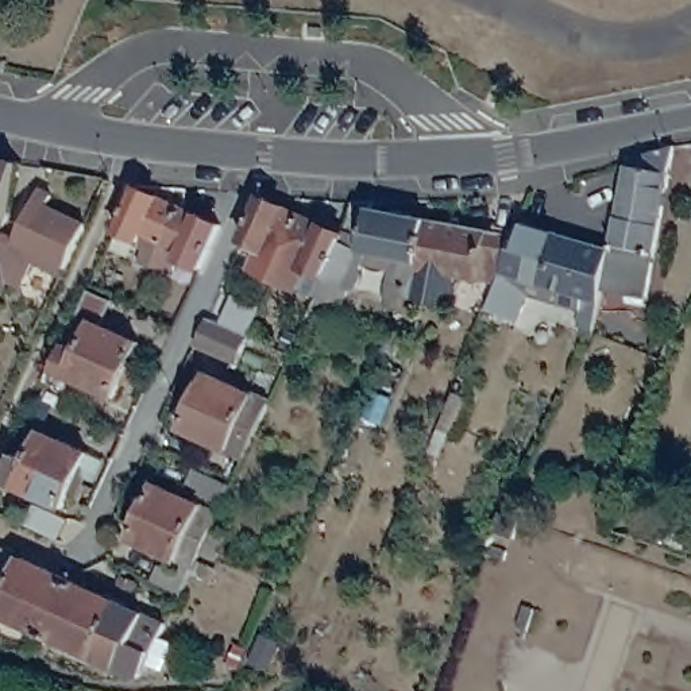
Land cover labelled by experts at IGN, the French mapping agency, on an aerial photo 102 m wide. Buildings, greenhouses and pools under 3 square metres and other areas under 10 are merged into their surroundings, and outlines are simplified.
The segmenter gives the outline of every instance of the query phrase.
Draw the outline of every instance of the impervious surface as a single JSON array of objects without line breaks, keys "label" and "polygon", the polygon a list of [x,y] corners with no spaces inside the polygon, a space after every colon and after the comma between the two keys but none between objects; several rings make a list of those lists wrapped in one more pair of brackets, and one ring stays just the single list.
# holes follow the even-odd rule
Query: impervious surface
[{"label": "impervious surface", "polygon": [[597,327],[602,335],[642,356],[653,351],[642,340],[645,302],[640,297],[605,294]]},{"label": "impervious surface", "polygon": [[561,8],[551,0],[453,0],[459,5],[507,22],[518,30],[540,32],[553,46],[570,46],[583,57],[651,59],[691,49],[691,5],[648,22],[599,22],[570,8]]},{"label": "impervious surface", "polygon": [[[340,232],[340,224],[351,227],[351,216],[356,219],[362,208],[381,208],[408,213],[416,219],[451,221],[480,229],[489,229],[491,221],[497,221],[502,224],[499,246],[507,246],[513,229],[524,224],[543,232],[561,232],[578,240],[605,246],[610,221],[626,221],[626,213],[615,213],[610,205],[613,189],[618,189],[618,175],[580,178],[578,192],[564,192],[564,184],[575,175],[575,170],[594,167],[610,159],[618,159],[621,167],[637,170],[645,154],[656,148],[669,148],[691,143],[691,84],[651,89],[637,97],[610,97],[583,108],[551,105],[537,116],[521,116],[513,121],[497,116],[497,103],[494,97],[483,97],[483,103],[478,103],[464,92],[451,92],[445,97],[426,81],[410,76],[402,67],[402,62],[383,51],[362,46],[327,49],[324,30],[302,27],[302,40],[275,40],[159,32],[127,40],[113,51],[103,54],[97,62],[92,62],[73,78],[65,76],[62,81],[49,81],[19,76],[16,81],[0,76],[0,159],[19,165],[19,178],[11,178],[11,216],[5,224],[0,224],[0,238],[13,232],[22,208],[35,192],[49,189],[46,178],[51,170],[92,175],[105,184],[113,184],[108,211],[116,211],[121,205],[127,189],[138,189],[143,194],[165,200],[167,211],[186,211],[200,216],[202,221],[219,224],[221,238],[213,248],[208,267],[197,275],[189,275],[181,267],[173,267],[170,273],[173,281],[189,286],[192,297],[159,348],[159,372],[151,381],[148,391],[138,399],[124,426],[121,435],[119,448],[108,462],[105,470],[111,470],[116,478],[111,480],[111,489],[105,494],[92,494],[89,505],[78,505],[81,489],[76,489],[73,494],[67,491],[65,507],[57,510],[57,518],[84,521],[81,532],[70,543],[54,537],[49,545],[40,545],[35,543],[24,559],[35,567],[49,570],[54,583],[76,583],[138,615],[159,621],[162,615],[157,607],[138,602],[130,591],[119,588],[111,580],[113,559],[130,553],[127,545],[116,543],[116,548],[113,548],[113,551],[100,551],[100,545],[97,545],[97,534],[94,534],[94,526],[100,529],[100,526],[116,526],[116,529],[119,529],[132,499],[143,491],[146,483],[159,486],[162,491],[170,491],[197,507],[208,507],[205,502],[194,494],[194,489],[184,483],[192,470],[173,467],[162,472],[140,462],[140,445],[178,453],[178,443],[184,440],[173,429],[167,435],[162,432],[157,413],[167,391],[181,397],[189,381],[200,372],[221,383],[229,383],[246,394],[265,397],[265,386],[248,381],[240,370],[232,370],[224,362],[205,354],[186,356],[194,316],[200,310],[211,310],[216,316],[224,316],[232,300],[224,294],[224,265],[243,267],[240,243],[232,243],[232,219],[246,216],[254,200],[281,205],[292,216],[302,216],[329,232]],[[232,67],[238,73],[235,81],[240,84],[238,100],[232,103],[216,103],[208,94],[165,94],[165,84],[170,76],[219,78]],[[348,92],[348,103],[337,111],[337,116],[316,105],[305,105],[302,111],[281,108],[270,100],[270,86],[283,84],[286,78],[297,78],[319,89],[335,84]],[[478,205],[462,213],[432,211],[418,202],[418,194],[453,194],[459,192],[459,186],[483,186],[489,208]]]},{"label": "impervious surface", "polygon": [[513,324],[537,343],[548,343],[553,337],[556,324],[575,324],[567,308],[548,305],[540,300],[524,300]]},{"label": "impervious surface", "polygon": [[483,283],[462,281],[456,283],[453,294],[456,308],[472,310],[475,300],[483,292]]},{"label": "impervious surface", "polygon": [[367,292],[370,297],[381,292],[381,273],[372,270],[364,270],[354,286],[356,292]]},{"label": "impervious surface", "polygon": [[27,267],[22,275],[22,289],[27,300],[40,302],[51,281],[46,270]]}]

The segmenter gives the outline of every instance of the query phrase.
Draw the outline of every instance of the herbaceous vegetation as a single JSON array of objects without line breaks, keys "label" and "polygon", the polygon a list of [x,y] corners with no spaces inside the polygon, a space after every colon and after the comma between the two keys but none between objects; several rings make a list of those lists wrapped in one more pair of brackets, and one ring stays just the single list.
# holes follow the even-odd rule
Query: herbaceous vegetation
[{"label": "herbaceous vegetation", "polygon": [[124,426],[138,399],[132,399],[132,383],[127,378],[119,383],[116,397],[108,397],[103,405]]},{"label": "herbaceous vegetation", "polygon": [[224,653],[213,661],[211,683],[202,691],[221,691],[221,686],[229,680],[229,672],[240,664],[243,653],[238,651],[232,637],[238,637],[246,621],[248,605],[259,586],[259,575],[229,564],[213,564],[197,567],[197,575],[186,583],[186,588],[186,607],[181,613],[162,615],[159,621],[167,629],[167,642],[178,637],[189,637],[200,645],[224,640]]},{"label": "herbaceous vegetation", "polygon": [[656,308],[672,308],[686,297],[691,300],[691,219],[680,219],[669,208],[664,208],[661,229],[678,229],[678,248],[669,275],[659,275],[656,270],[648,302]]},{"label": "herbaceous vegetation", "polygon": [[116,27],[105,30],[84,19],[89,0],[57,0],[49,32],[43,38],[30,40],[24,46],[8,46],[3,51],[13,62],[49,67],[49,81],[62,81],[65,76],[73,78],[92,62],[97,62],[103,54],[113,51],[127,40]]},{"label": "herbaceous vegetation", "polygon": [[32,416],[16,429],[8,426],[0,426],[0,456],[19,453],[24,437],[30,432],[40,432],[76,448],[84,456],[108,462],[119,448],[121,435],[116,432],[97,440],[86,421],[70,426],[54,418],[51,413]]},{"label": "herbaceous vegetation", "polygon": [[[302,648],[286,648],[281,653],[281,659],[267,659],[265,669],[270,675],[270,683],[262,691],[413,691],[418,680],[416,669],[402,669],[397,661],[397,642],[402,634],[399,618],[413,613],[416,626],[437,626],[443,621],[448,607],[453,605],[453,561],[440,561],[437,578],[413,580],[399,578],[389,567],[381,575],[389,580],[389,594],[370,594],[367,599],[351,605],[340,599],[337,580],[359,575],[362,580],[367,580],[370,575],[370,564],[364,564],[362,559],[370,553],[372,543],[381,543],[383,529],[391,521],[394,489],[402,486],[405,472],[405,456],[397,445],[397,429],[424,429],[424,418],[410,416],[410,408],[429,408],[435,402],[445,405],[440,426],[429,443],[432,478],[416,483],[421,505],[413,516],[413,529],[421,532],[429,543],[437,545],[443,540],[443,532],[453,532],[462,526],[464,505],[459,497],[464,491],[470,470],[483,456],[475,451],[475,440],[480,443],[483,437],[491,437],[491,432],[505,429],[510,394],[516,389],[553,391],[564,375],[567,354],[572,351],[578,335],[575,324],[556,324],[553,337],[548,343],[537,343],[513,324],[497,324],[497,335],[489,335],[483,346],[486,386],[475,391],[475,410],[459,443],[448,440],[448,432],[462,410],[462,399],[453,397],[459,391],[459,381],[451,378],[453,362],[435,359],[432,367],[426,367],[424,354],[416,351],[402,364],[402,381],[397,383],[389,399],[386,416],[378,426],[364,426],[362,421],[354,424],[351,445],[346,445],[343,462],[332,470],[329,491],[316,513],[316,524],[308,532],[305,553],[300,564],[292,570],[289,591],[270,591],[270,599],[275,602],[273,607],[289,607],[294,624],[308,629],[308,640],[302,642]],[[343,494],[343,478],[348,475],[362,475],[362,489],[351,510],[337,510],[335,502]]]},{"label": "herbaceous vegetation", "polygon": [[24,659],[0,651],[0,669],[27,669],[32,675],[43,675],[46,680],[51,680],[54,672],[78,675],[84,683],[103,686],[103,691],[189,691],[173,688],[175,678],[165,669],[148,672],[143,680],[138,680],[130,669],[100,664],[84,656],[81,651],[67,653],[57,645],[49,645],[49,637],[38,634],[40,659]]},{"label": "herbaceous vegetation", "polygon": [[672,186],[691,186],[691,143],[669,148],[675,151]]},{"label": "herbaceous vegetation", "polygon": [[659,443],[651,464],[661,478],[659,483],[669,483],[672,475],[680,480],[691,480],[691,327],[686,327],[686,337],[672,367],[669,402],[661,413],[664,426],[659,429]]},{"label": "herbaceous vegetation", "polygon": [[346,313],[354,319],[383,324],[389,332],[405,332],[413,337],[424,335],[426,329],[437,329],[437,343],[453,348],[462,346],[472,310],[456,308],[453,319],[443,327],[435,327],[432,321],[413,324],[402,319],[372,310],[381,292],[370,297],[367,292],[356,292],[354,286],[343,289],[337,294],[337,302],[310,302],[310,313]]},{"label": "herbaceous vegetation", "polygon": [[645,570],[667,572],[672,578],[691,583],[691,556],[675,537],[661,537],[653,545],[648,545],[645,540],[632,540],[624,534],[624,543],[618,545],[610,537],[599,534],[591,494],[570,494],[567,499],[556,502],[556,516],[545,526],[545,532],[551,537],[572,540],[572,532],[580,529],[588,534],[583,537],[583,545],[588,548],[607,551]]},{"label": "herbaceous vegetation", "polygon": [[81,219],[81,208],[86,208],[89,197],[92,197],[92,194],[100,194],[105,184],[92,175],[51,170],[46,178],[49,189],[59,197],[49,202],[51,211],[78,221],[78,219]]},{"label": "herbaceous vegetation", "polygon": [[292,305],[297,300],[294,294],[267,289],[265,302],[254,308],[254,316],[267,319],[273,329],[281,329],[278,305]]},{"label": "herbaceous vegetation", "polygon": [[229,475],[224,475],[224,483],[219,483],[221,491],[238,489],[243,478],[254,475],[256,470],[270,475],[273,467],[294,467],[292,456],[302,451],[316,451],[316,472],[321,472],[329,456],[327,443],[321,440],[319,405],[310,399],[289,397],[283,351],[275,351],[267,340],[256,337],[254,346],[248,346],[246,351],[262,359],[262,364],[240,370],[248,381],[265,386],[265,397],[267,418],[251,440],[251,448],[238,451],[238,456],[229,456],[232,470]]},{"label": "herbaceous vegetation", "polygon": [[35,543],[19,534],[0,532],[0,570],[5,559],[24,559]]},{"label": "herbaceous vegetation", "polygon": [[453,0],[151,0],[178,3],[181,8],[208,3],[246,5],[248,11],[262,11],[270,5],[278,13],[278,30],[273,32],[275,40],[302,40],[302,27],[324,30],[335,16],[348,16],[348,11],[367,11],[399,19],[405,22],[405,40],[410,49],[432,51],[429,40],[443,40],[451,43],[456,54],[475,62],[478,67],[491,67],[489,81],[494,84],[494,97],[497,103],[499,97],[518,92],[524,86],[524,92],[548,97],[551,105],[583,108],[610,97],[637,97],[651,89],[691,84],[691,49],[651,59],[583,57],[570,46],[553,46],[540,32],[518,30],[507,22],[459,5]]},{"label": "herbaceous vegetation", "polygon": [[73,340],[78,324],[84,321],[116,332],[135,346],[140,343],[140,337],[148,337],[159,348],[192,297],[189,286],[173,281],[162,310],[138,308],[135,313],[127,305],[113,302],[108,313],[84,310],[78,310],[65,324],[59,335],[59,343],[65,346]]},{"label": "herbaceous vegetation", "polygon": [[86,267],[94,281],[124,283],[127,289],[132,289],[135,281],[154,278],[159,270],[135,273],[127,256],[116,256],[111,251],[113,238],[105,232],[97,243],[92,265]]},{"label": "herbaceous vegetation", "polygon": [[661,364],[661,351],[653,351],[642,356],[602,335],[591,343],[591,351],[597,356],[586,362],[586,370],[613,364],[613,383],[607,391],[591,391],[586,383],[586,372],[578,375],[575,386],[564,394],[564,402],[553,416],[553,424],[543,440],[551,451],[545,451],[537,459],[537,470],[543,470],[548,464],[561,467],[567,456],[580,456],[583,432],[632,429],[634,421],[629,421],[626,416],[632,402],[645,402],[645,394],[640,394],[637,389],[640,383],[651,383],[651,375]]},{"label": "herbaceous vegetation", "polygon": [[648,22],[691,5],[691,0],[551,0],[561,8],[570,8],[599,22]]}]

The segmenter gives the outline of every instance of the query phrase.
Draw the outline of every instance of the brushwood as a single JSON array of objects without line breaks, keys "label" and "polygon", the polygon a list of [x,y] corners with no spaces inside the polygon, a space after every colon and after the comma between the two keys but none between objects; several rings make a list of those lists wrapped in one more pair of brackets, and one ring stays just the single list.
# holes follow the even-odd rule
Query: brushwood
[{"label": "brushwood", "polygon": [[119,588],[130,591],[138,602],[157,607],[162,615],[181,613],[186,607],[186,588],[173,594],[154,586],[151,580],[154,570],[173,575],[178,572],[178,564],[159,561],[146,553],[130,553],[113,559],[111,580]]},{"label": "brushwood", "polygon": [[181,397],[167,391],[157,413],[162,432],[167,435],[173,429],[173,416]]},{"label": "brushwood", "polygon": [[524,497],[540,480],[543,470],[537,470],[537,459],[545,451],[551,451],[543,440],[553,424],[553,416],[564,402],[564,394],[575,386],[578,375],[586,372],[586,370],[586,362],[597,356],[591,351],[591,343],[602,335],[597,327],[578,335],[572,351],[567,354],[564,375],[553,391],[516,389],[510,394],[505,429],[491,432],[491,437],[483,437],[480,443],[475,440],[475,451],[483,456],[499,440],[510,440],[518,445],[513,453],[516,459],[521,459],[516,478],[502,483],[502,489],[510,497]]},{"label": "brushwood", "polygon": [[618,175],[621,167],[618,159],[610,159],[594,167],[575,170],[575,175],[564,184],[564,192],[578,192],[580,178]]},{"label": "brushwood", "polygon": [[127,305],[130,300],[135,300],[132,289],[127,289],[124,283],[94,281],[86,267],[78,273],[70,289],[65,286],[67,273],[62,270],[51,281],[40,302],[27,300],[22,289],[0,289],[0,394],[13,391],[27,364],[30,346],[38,337],[43,337],[43,348],[35,364],[43,367],[54,354],[62,354],[65,346],[59,343],[59,335],[65,324],[78,310],[84,310],[78,305],[78,297],[84,292],[113,302]]},{"label": "brushwood", "polygon": [[483,97],[494,97],[494,84],[489,81],[491,67],[478,67],[475,62],[456,54],[451,43],[443,40],[429,40],[432,51],[410,49],[405,40],[405,22],[399,19],[367,11],[348,11],[348,16],[335,16],[324,30],[327,49],[362,46],[383,51],[402,62],[402,67],[410,76],[426,81],[445,97],[451,92],[464,92],[478,103],[483,103]]},{"label": "brushwood", "polygon": [[16,81],[19,76],[49,81],[49,67],[13,62],[3,51],[0,51],[0,76]]},{"label": "brushwood", "polygon": [[86,208],[81,208],[81,219],[78,219],[78,221],[78,224],[84,227],[84,232],[81,232],[81,240],[86,238],[89,227],[92,227],[92,219],[94,219],[94,213],[97,213],[97,205],[100,205],[100,194],[92,194],[92,197],[89,197]]},{"label": "brushwood", "polygon": [[459,192],[453,194],[418,194],[418,202],[432,211],[462,213],[478,205],[489,208],[483,186],[459,186]]},{"label": "brushwood", "polygon": [[229,680],[221,686],[221,691],[262,691],[270,683],[270,675],[265,669],[251,669],[240,664],[229,672]]},{"label": "brushwood", "polygon": [[456,308],[453,294],[443,294],[437,305],[405,305],[402,319],[413,324],[432,321],[435,327],[443,327],[453,319]]}]

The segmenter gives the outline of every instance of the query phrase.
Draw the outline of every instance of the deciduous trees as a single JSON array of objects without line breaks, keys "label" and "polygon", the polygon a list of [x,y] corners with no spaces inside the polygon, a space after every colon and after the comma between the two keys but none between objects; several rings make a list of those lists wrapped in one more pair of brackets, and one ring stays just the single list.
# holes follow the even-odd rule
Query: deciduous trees
[{"label": "deciduous trees", "polygon": [[221,464],[211,462],[211,453],[202,445],[184,440],[178,443],[178,453],[140,445],[140,462],[162,472],[173,467],[192,470],[219,483],[224,483],[224,475]]},{"label": "deciduous trees", "polygon": [[672,186],[669,208],[680,219],[691,219],[691,186]]},{"label": "deciduous trees", "polygon": [[54,418],[70,426],[86,421],[97,440],[116,432],[121,435],[124,426],[103,405],[78,389],[65,389],[62,381],[54,381],[54,386],[49,386],[49,391],[43,394],[38,399],[22,397],[13,408],[8,426],[16,429],[32,416],[51,413]]},{"label": "deciduous trees", "polygon": [[678,248],[678,229],[661,229],[656,270],[659,275],[669,275]]},{"label": "deciduous trees", "polygon": [[219,78],[170,76],[165,84],[165,94],[208,94],[216,103],[232,103],[238,100],[240,84],[235,81],[238,73],[232,67]]},{"label": "deciduous trees", "polygon": [[232,300],[240,308],[254,308],[265,302],[267,289],[243,267],[224,265],[224,294]]},{"label": "deciduous trees", "polygon": [[613,383],[613,364],[586,370],[586,372],[586,383],[591,391],[607,391]]},{"label": "deciduous trees", "polygon": [[127,359],[127,378],[132,383],[132,399],[138,399],[148,391],[151,381],[159,372],[159,348],[148,337],[140,337],[140,343],[135,346],[132,356]]},{"label": "deciduous trees", "polygon": [[459,659],[464,653],[478,613],[475,591],[478,575],[483,570],[483,540],[489,534],[505,534],[510,529],[518,532],[518,537],[532,540],[543,537],[545,532],[545,526],[556,516],[556,502],[567,499],[570,494],[591,494],[599,534],[610,537],[618,545],[624,543],[624,534],[632,540],[645,540],[648,545],[653,545],[661,537],[675,537],[691,556],[691,480],[680,480],[672,475],[669,483],[659,483],[661,478],[651,464],[659,443],[659,429],[664,426],[661,413],[669,402],[672,367],[686,337],[686,327],[691,327],[691,300],[686,297],[672,308],[656,308],[648,302],[645,302],[642,340],[653,351],[661,351],[661,364],[651,375],[651,383],[640,383],[637,389],[640,394],[645,394],[645,402],[632,402],[626,416],[629,421],[634,421],[632,429],[583,432],[580,456],[567,456],[561,467],[548,464],[543,470],[540,480],[524,497],[510,497],[502,489],[502,483],[516,478],[521,459],[516,459],[513,453],[518,445],[510,440],[499,440],[483,456],[470,470],[464,491],[459,497],[464,505],[462,526],[453,532],[443,532],[443,540],[437,545],[429,543],[421,532],[413,529],[413,516],[421,505],[416,483],[432,478],[429,443],[440,426],[445,405],[435,402],[429,408],[410,408],[410,416],[424,418],[424,429],[397,429],[397,445],[405,456],[405,472],[402,486],[394,489],[391,521],[383,529],[381,543],[372,543],[370,553],[362,559],[364,564],[370,564],[370,575],[367,580],[362,580],[359,575],[337,580],[340,599],[351,605],[367,599],[370,594],[389,594],[389,580],[381,575],[389,567],[399,578],[413,580],[437,578],[440,561],[453,561],[453,605],[448,607],[443,621],[437,626],[416,626],[413,613],[399,618],[402,634],[397,642],[397,661],[402,669],[416,669],[418,680],[413,691],[451,691]]},{"label": "deciduous trees", "polygon": [[316,451],[302,451],[292,456],[294,467],[273,467],[270,475],[256,470],[254,475],[243,478],[238,489],[221,491],[205,502],[208,507],[211,534],[221,543],[221,556],[213,564],[229,564],[259,575],[259,586],[248,605],[246,621],[238,637],[232,637],[238,651],[243,653],[251,645],[251,640],[278,642],[281,653],[286,648],[302,648],[302,642],[308,640],[308,629],[294,624],[289,607],[273,607],[275,602],[270,599],[270,591],[289,591],[292,570],[300,564],[305,553],[308,532],[316,524],[316,513],[329,491],[332,470],[343,462],[346,445],[351,445],[354,424],[362,421],[364,410],[372,405],[375,397],[389,399],[397,383],[402,381],[402,364],[416,351],[424,354],[426,367],[432,367],[435,359],[453,362],[451,378],[459,381],[459,391],[453,397],[462,399],[462,410],[448,432],[448,440],[459,443],[475,410],[475,391],[486,386],[483,346],[489,335],[497,335],[497,324],[486,319],[486,313],[480,316],[472,310],[462,346],[453,348],[437,343],[437,329],[426,329],[424,335],[413,337],[405,332],[389,332],[383,324],[354,319],[346,313],[310,313],[310,302],[297,300],[292,305],[278,305],[281,329],[273,329],[267,319],[254,316],[248,332],[251,337],[256,337],[267,340],[275,351],[283,351],[289,397],[310,399],[319,405],[321,440],[327,443],[329,456],[321,472],[316,472]]},{"label": "deciduous trees", "polygon": [[178,637],[167,642],[165,669],[175,678],[173,688],[189,691],[202,691],[211,683],[213,661],[224,653],[224,640],[200,645],[189,637]]},{"label": "deciduous trees", "polygon": [[116,537],[119,537],[119,529],[116,529],[116,526],[100,526],[100,529],[94,526],[94,534],[97,534],[97,545],[100,545],[100,551],[113,551],[113,548],[116,548],[116,543]]},{"label": "deciduous trees", "polygon": [[43,537],[38,532],[30,532],[24,524],[27,510],[5,507],[0,513],[0,532],[19,534],[35,543],[40,545]]},{"label": "deciduous trees", "polygon": [[262,11],[248,11],[246,5],[208,3],[181,8],[178,3],[151,0],[89,0],[84,19],[105,30],[116,27],[127,40],[159,32],[275,40],[273,32],[278,30],[278,13],[270,5]]},{"label": "deciduous trees", "polygon": [[537,116],[551,105],[548,97],[524,92],[524,86],[518,92],[499,97],[497,103],[497,116],[513,121],[521,116]]},{"label": "deciduous trees", "polygon": [[362,475],[348,475],[343,478],[343,494],[335,502],[337,510],[351,510],[362,489]]},{"label": "deciduous trees", "polygon": [[0,691],[103,691],[103,686],[84,683],[78,675],[54,672],[51,680],[46,680],[43,675],[32,675],[27,669],[0,669]]},{"label": "deciduous trees", "polygon": [[281,108],[302,111],[305,105],[316,105],[337,116],[337,111],[348,103],[348,92],[335,84],[319,89],[297,78],[286,78],[283,84],[270,86],[270,100]]},{"label": "deciduous trees", "polygon": [[0,634],[0,651],[24,659],[40,659],[38,634],[11,640]]},{"label": "deciduous trees", "polygon": [[0,51],[3,51],[8,46],[24,46],[30,40],[43,38],[49,32],[57,0],[0,0]]},{"label": "deciduous trees", "polygon": [[154,278],[135,281],[132,289],[135,300],[130,300],[127,305],[135,313],[138,308],[162,310],[173,281],[170,273],[159,270]]}]

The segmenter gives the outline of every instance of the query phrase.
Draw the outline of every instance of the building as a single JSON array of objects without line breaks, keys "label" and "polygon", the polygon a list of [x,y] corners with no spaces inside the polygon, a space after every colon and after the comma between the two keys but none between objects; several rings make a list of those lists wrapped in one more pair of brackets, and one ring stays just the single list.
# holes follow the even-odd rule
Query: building
[{"label": "building", "polygon": [[281,659],[281,653],[278,642],[251,640],[251,645],[243,653],[240,664],[251,669],[265,669],[267,659]]},{"label": "building", "polygon": [[154,586],[173,594],[186,588],[186,583],[197,575],[197,567],[213,564],[221,556],[221,543],[211,534],[208,507],[197,507],[170,491],[162,491],[159,486],[146,483],[143,491],[132,499],[119,529],[119,537],[116,537],[116,543],[127,545],[130,553],[146,553],[159,561],[178,564],[178,572],[173,575],[154,570],[151,580]]},{"label": "building", "polygon": [[664,208],[669,208],[672,186],[675,151],[669,148],[656,148],[645,154],[637,170],[621,167],[618,175],[618,189],[613,189],[610,205],[615,213],[626,213],[626,221],[610,221],[605,246],[578,240],[561,232],[543,232],[524,224],[513,229],[507,246],[499,246],[502,224],[497,221],[491,221],[489,229],[480,229],[451,221],[416,219],[408,213],[381,208],[362,208],[356,219],[351,216],[351,227],[340,224],[340,232],[329,232],[302,216],[292,216],[281,205],[254,200],[246,216],[232,219],[232,243],[240,243],[243,267],[267,289],[294,294],[297,300],[310,302],[337,302],[337,294],[343,289],[354,286],[364,270],[372,270],[381,273],[381,292],[372,310],[402,319],[405,305],[437,305],[443,294],[453,294],[456,283],[462,281],[483,283],[483,292],[475,300],[472,310],[480,316],[486,313],[486,319],[497,324],[513,324],[524,300],[540,300],[548,305],[567,308],[575,324],[578,335],[597,327],[605,294],[640,297],[645,302],[648,302],[656,270],[661,229]]},{"label": "building", "polygon": [[194,316],[186,356],[205,354],[224,362],[232,370],[240,370],[262,364],[262,359],[246,351],[248,346],[254,346],[256,337],[251,337],[248,332],[254,316],[254,308],[240,308],[232,300],[224,316],[216,316],[211,310],[200,310]]},{"label": "building", "polygon": [[22,208],[13,232],[0,238],[0,289],[22,289],[22,275],[27,267],[46,270],[51,281],[62,270],[81,240],[81,232],[84,232],[84,227],[78,224],[78,221],[51,211],[49,202],[59,197],[49,189],[35,192]]},{"label": "building", "polygon": [[19,453],[0,456],[0,513],[5,507],[27,510],[24,524],[30,532],[38,532],[43,537],[40,545],[49,545],[54,537],[70,543],[81,532],[84,521],[57,518],[57,510],[65,507],[67,491],[73,494],[76,489],[81,489],[78,505],[89,505],[92,494],[105,494],[111,489],[111,480],[116,478],[111,470],[105,470],[108,462],[84,456],[76,448],[40,432],[30,432],[24,437]]},{"label": "building", "polygon": [[143,194],[138,189],[127,189],[121,205],[116,211],[108,211],[105,232],[113,238],[111,251],[116,256],[127,256],[135,273],[159,270],[170,273],[173,267],[181,267],[189,275],[197,275],[208,267],[213,248],[221,238],[219,224],[202,221],[200,216],[186,211],[167,211],[165,200]]},{"label": "building", "polygon": [[364,410],[362,421],[364,426],[378,426],[386,416],[389,399],[375,397],[372,405]]},{"label": "building", "polygon": [[49,391],[49,386],[54,386],[54,381],[62,381],[65,389],[78,389],[103,405],[108,397],[116,397],[119,383],[127,378],[127,359],[132,356],[135,346],[116,332],[84,321],[78,324],[73,340],[65,346],[62,354],[54,354],[43,367],[43,394]]},{"label": "building", "polygon": [[205,502],[221,491],[219,483],[192,470],[184,483],[194,489],[194,494]]},{"label": "building", "polygon": [[78,297],[78,305],[84,310],[108,313],[113,302],[84,292]]},{"label": "building", "polygon": [[510,529],[505,534],[489,534],[483,540],[483,570],[478,575],[475,591],[478,613],[464,653],[459,659],[451,691],[691,691],[691,583],[672,578],[667,572],[645,570],[607,551],[588,548],[583,545],[583,537],[588,534],[580,529],[572,532],[572,540],[551,537],[545,532],[543,537],[532,540],[518,537],[518,532]]},{"label": "building", "polygon": [[19,178],[19,165],[0,159],[0,224],[5,224],[11,216],[11,178]]},{"label": "building", "polygon": [[238,456],[238,451],[251,448],[251,440],[267,418],[265,397],[246,394],[229,383],[221,383],[200,372],[189,381],[181,397],[173,416],[173,429],[184,440],[202,445],[211,453],[211,462],[221,464],[224,475],[229,475],[232,470],[229,456]]},{"label": "building", "polygon": [[5,559],[0,570],[0,634],[11,640],[38,634],[49,637],[49,645],[57,645],[67,653],[81,651],[84,656],[100,664],[130,669],[138,680],[143,680],[148,672],[165,669],[167,642],[167,629],[159,621],[138,615],[76,583],[54,583],[49,570],[35,567],[24,559]]}]

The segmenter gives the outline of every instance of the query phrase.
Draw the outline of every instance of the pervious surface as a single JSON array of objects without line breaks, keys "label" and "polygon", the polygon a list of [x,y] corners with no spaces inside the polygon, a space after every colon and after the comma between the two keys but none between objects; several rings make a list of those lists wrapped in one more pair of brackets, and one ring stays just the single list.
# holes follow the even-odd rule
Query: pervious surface
[{"label": "pervious surface", "polygon": [[0,426],[8,426],[13,408],[22,397],[38,399],[43,394],[43,367],[35,364],[43,348],[43,337],[38,337],[30,346],[27,364],[13,391],[0,394]]},{"label": "pervious surface", "polygon": [[97,213],[94,213],[94,219],[92,219],[92,227],[89,227],[86,238],[81,240],[62,270],[67,273],[65,286],[70,289],[78,273],[86,267],[92,265],[97,243],[105,232],[108,211],[113,184],[105,184],[100,194],[100,205],[97,205]]}]

